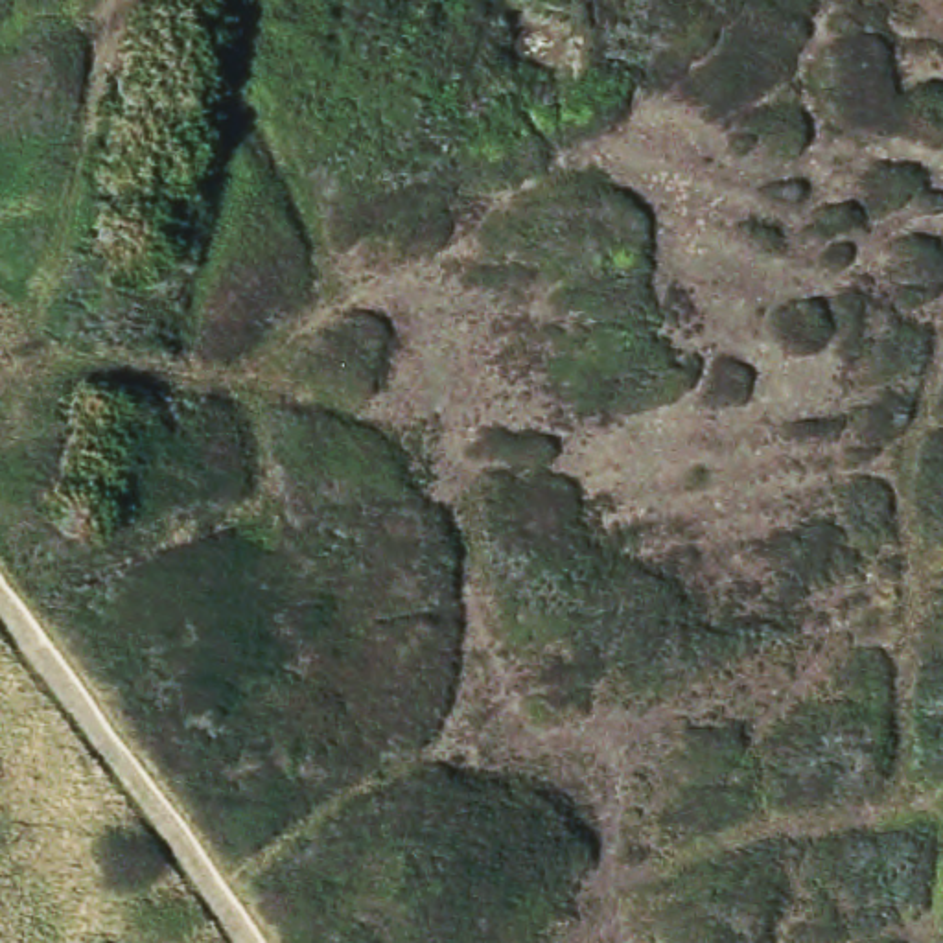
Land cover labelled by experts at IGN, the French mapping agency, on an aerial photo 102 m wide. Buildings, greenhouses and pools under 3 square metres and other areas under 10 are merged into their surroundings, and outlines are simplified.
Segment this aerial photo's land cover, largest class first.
<instances>
[{"label":"herbaceous vegetation","instance_id":"1","mask_svg":"<svg viewBox=\"0 0 943 943\"><path fill-rule=\"evenodd\" d=\"M99 0H0V298L11 302L26 320V343H18V357L29 365L33 376L7 379L0 390V567L11 578V586L26 597V604L37 611V619L48 626V634L63 645V652L77 659V670H85L92 681L107 685L118 696L125 740H133L158 766V777L166 781L169 796L188 810L192 825L203 832L210 847L221 832H243L258 851L273 840L284 847V858L273 862L250 884L258 914L265 925L276 928L280 943H553L549 921L578 917V888L600 862V832L593 807L575 803L567 792L538 777L483 774L464 766V759L457 755L435 759L427 748L442 737L464 674V582L490 589L501 604V619L486 630L490 637H501V659L516 678L523 707L534 715L538 726H560L567 707H593V681L604 670H623L630 689H656L663 696H674L678 685L700 681L704 674L733 678L740 670V659L755 656L763 630L792 634L803 630V623L825 626L829 615L821 608H810V589L858 575L866 567L862 553L847 545L844 530L832 519H807L792 530H774L759 538L755 556L770 560V571L781 578V589L763 615H748L744 600L755 597L763 586L740 578L729 589L718 586V578L704 567L700 527H693L681 516H663L604 527L600 519L615 508V497H586L575 475L556 472V457L564 446L556 435L545 431L486 427L468 446V457H505V468L483 472L475 486L442 505L431 497V483L435 457L442 453V416H420L416 424L398 427L365 420L368 402L379 390H387L394 354L402 346L394 320L379 309L357 306L339 324H328L313 335H295L291 328L298 313L317 306L313 236L306 221L320 214L309 169L320 166L339 180L332 232L343 250L368 236H387L398 243V254L405 262H413L431 258L453 239L468 236L483 243L479 258L446 262V276H457L468 287L494 291L508 280H556L564 291L553 298V306L593 313V324H578L575 332L534 317H497L490 332L508 335V346L497 354L501 376L545 372L549 398L575 402L582 420L593 416L600 427H611L615 416L626 413H648L656 405L678 402L700 379L704 357L693 350H678L670 339L659 335V328L663 320H674L685 335H700L704 309H696L685 287L656 295L659 221L652 203L626 184H615L597 166L560 169L553 162L560 147H578L604 133H615L630 118L634 99L626 96L623 103L597 111L586 125H571L567 133L538 129L534 136L505 147L501 158H475L464 151V140L457 133L449 136L435 122L431 103L416 92L420 74H427L438 85H449L457 103L468 107L483 96V85H494L497 77H508L516 81V88L534 92L538 74L545 66L527 52V15H545L575 26L586 37V66L604 77H626L634 96L667 92L674 103L696 107L707 122L726 129L733 155H748L755 144H763L766 155L803 158L814 140L877 144L880 136H906L928 147H943V77L906 81L899 59L943 55V37H895L888 26V0H221L214 15L199 18L206 48L217 59V66L199 77V107L214 129L206 173L195 177L203 203H169V221L162 236L173 243L177 262L151 287L125 295L114 287V280L99 284L107 254L96 243V173L99 158L107 155L114 118L122 114L118 85L114 74H107V92L99 99V133L85 151H77L96 44L81 26L88 15H96ZM236 151L250 158L258 180L239 217V239L221 284L210 298L195 302L192 287L199 269L206 265ZM92 368H140L173 383L166 398L177 431L169 435L192 442L199 457L188 472V483H180L177 508H169L166 516L114 527V505L96 497V479H118V472L99 449H88V438H103L107 431V402L96 394V387H88ZM910 203L943 214V188L921 162L880 158L866 169L855 199L829 203L810 221L814 236H832L847 228H869V217L902 210ZM810 177H781L763 184V199L799 206L810 199ZM740 236H751L770 254L785 250V225L766 217H744L737 225ZM943 295V236L910 232L899 239V250L891 254L888 269L862 273L840 295L788 298L777 306L774 317V335L785 350H829L840 357L836 379L844 390H880L873 405H851L847 413L803 416L785 424V438L799 442L836 438L844 427L858 431V446L847 449V464H858L880 457L888 438L906 435L914 427L925 398V379L936 357V328L917 324L914 317L921 302ZM755 394V365L726 354L715 361V379L704 405H744ZM917 512L925 519H943V398L939 427L925 442L917 479ZM847 516L862 534H877L884 541L899 538V505L891 483L862 475L840 486ZM921 696L943 700V586L936 589V611L921 623L917 678ZM832 681L840 685L844 700L796 704L785 722L770 729V737H755L748 722L737 718L729 726L685 722V748L678 755L689 766V785L681 788L678 803H667L659 810V825H693L704 836L740 825L748 818H763L770 810L880 803L895 781L902 737L895 659L888 656V648H858L847 659V667L832 670ZM925 744L921 766L936 785H943V715H917ZM103 888H111L125 910L122 936L107 943H184L180 936L203 925L199 910L210 906L192 873L173 855V847L144 814L129 829H103L96 844ZM619 891L634 902L630 932L637 936V943H910L902 925L906 906H925L932 917L943 921V818L932 821L928 814H917L906 825L840 829L829 836H770L740 851H722L707 862H689L674 877L626 884Z\"/></svg>","mask_w":943,"mask_h":943},{"label":"bare soil","instance_id":"2","mask_svg":"<svg viewBox=\"0 0 943 943\"><path fill-rule=\"evenodd\" d=\"M133 0H99L96 15H88L81 26L96 44L77 151H85L99 133V99L107 92V74H114L118 85L133 66ZM888 26L895 37H943V0H888ZM527 52L545 66L575 74H582L586 66V37L575 26L545 15H527ZM906 81L943 77V55L899 59ZM880 158L921 162L943 188V147H928L906 136H880L877 144L814 140L803 158L766 155L763 144H755L748 155H733L726 129L707 122L696 107L674 103L667 92L634 96V99L630 118L615 133H604L578 147H560L553 162L560 169L597 166L615 184H626L652 203L659 221L656 295L685 287L696 309H704L700 335H685L674 320H663L659 328V335L670 339L678 350H693L704 357L700 379L678 402L656 405L648 413H626L615 416L611 427H600L593 416L582 420L575 402L549 398L545 372L501 376L497 354L508 346V335L490 332L497 317H534L575 332L578 324H593V313L553 306V298L564 291L556 280H508L494 291L468 287L457 276H446V262L479 258L483 243L468 236L453 239L431 258L413 262H405L398 254V243L387 236H368L343 250L332 232L339 180L320 166L309 169L320 214L306 221L313 236L317 306L298 313L291 328L295 335H313L328 324H339L357 306L379 309L394 320L402 346L394 354L387 390H379L368 402L365 420L398 427L416 424L420 416H442V453L435 457L431 483V497L442 505L475 486L483 472L505 468V457H468V446L486 427L545 431L556 435L564 446L556 457V472L575 475L586 497H615V508L600 519L604 527L663 516H681L693 527H700L704 567L718 578V586L729 589L740 578L763 586L755 597L744 600L748 615H763L781 589V578L770 571V560L755 556L759 538L774 530H792L807 519H832L844 530L847 545L862 553L866 567L858 575L810 589V608H821L829 615L825 626L803 623V630L792 634L763 630L755 656L740 659V670L733 678L704 674L700 681L678 685L674 696H663L656 689H630L623 670H604L593 681V707H567L560 726H538L534 715L523 707L516 678L501 659V637H490L486 630L501 619V604L490 589L464 582V674L442 737L427 748L435 759L457 755L464 759V766L483 774L538 777L567 792L575 803L593 807L600 832V862L578 888V917L549 921L553 943H637V936L630 932L634 902L619 891L626 884L674 877L689 862H707L722 851H740L770 836H829L840 829L906 825L917 814H928L932 821L943 818V785H936L921 766L925 744L917 715H943V700L921 696L917 678L921 623L936 611V589L943 586V519H925L917 512V479L925 442L939 427L943 398V295L921 302L914 317L917 324L936 328V357L925 379V398L914 427L906 435L888 438L880 457L858 464H847V449L858 446V431L844 427L836 438L799 442L785 438V424L803 416L847 413L851 405H873L880 390H844L836 379L840 357L829 350H785L774 335V317L777 306L788 298L840 295L862 273L888 269L891 254L899 250V239L910 232L943 236V214L910 203L902 210L869 217V228H847L832 236H814L810 221L829 203L855 199L866 169ZM781 177H810V199L799 206L763 199V184ZM744 217H766L785 225V250L770 254L751 236H740L737 225ZM726 354L755 365V394L744 405H704L715 379V361ZM862 475L891 483L899 505V538L884 541L877 534H862L847 516L840 486ZM858 648H888V656L895 659L902 737L895 781L880 803L770 810L763 818H748L740 825L704 836L693 825H659V810L667 803H678L681 788L689 785V766L678 755L685 748V722L729 726L737 718L748 722L755 737H770V729L785 722L796 704L844 700L840 685L832 681V670L847 667V659ZM18 343H26V320L11 302L0 298V390L7 379L33 376L29 365L18 357ZM144 814L140 799L118 777L107 751L96 748L88 729L48 685V678L33 667V659L22 652L18 637L0 615V943H107L122 936L125 910L111 888H103L96 844L103 829H129ZM232 891L258 914L250 884L273 862L284 858V847L273 840L258 851L243 832H221L210 847ZM203 925L180 936L184 943H236L228 925L210 906L199 910Z\"/></svg>","mask_w":943,"mask_h":943},{"label":"brushwood","instance_id":"3","mask_svg":"<svg viewBox=\"0 0 943 943\"><path fill-rule=\"evenodd\" d=\"M133 66L118 85L122 114L114 118L107 155L99 158L96 173V243L107 254L99 284L114 280V287L125 295L151 287L177 262L173 243L162 236L169 221V203H203L195 177L206 173L214 129L199 107V77L217 66V59L206 48L199 18L214 15L221 0H133ZM416 92L431 103L435 122L449 136L457 133L464 140V151L475 158H501L505 147L534 136L538 129L567 133L571 125H586L597 111L623 103L626 96L634 99V96L626 77H604L586 66L582 74H575L545 66L538 74L534 92L516 88V81L508 77H497L494 85H483V96L468 107L457 103L449 85H438L427 74H420ZM258 180L250 158L236 151L206 265L199 269L192 287L195 302L210 298L221 284L239 239V217ZM88 387H96V394L107 402V431L103 438H88V449H99L118 472V479H96V497L114 505V527L166 516L169 508H177L180 483H188V472L199 457L192 442L169 435L177 431L166 398L173 383L140 368H92Z\"/></svg>","mask_w":943,"mask_h":943},{"label":"pervious surface","instance_id":"4","mask_svg":"<svg viewBox=\"0 0 943 943\"><path fill-rule=\"evenodd\" d=\"M0 615L18 637L22 652L33 659V667L48 678V685L88 729L96 748L107 751L118 777L140 799L144 814L173 847V855L192 873L210 906L228 925L236 943H280L276 928L265 925L258 914L232 891L210 847L203 832L192 825L188 810L169 796L166 781L158 777V766L133 740H125L118 696L107 685L92 681L85 670H77V659L63 652V645L48 634V626L37 619V611L26 604V597L11 586V578L0 567ZM902 925L910 943H943V921L932 917L925 906H906Z\"/></svg>","mask_w":943,"mask_h":943}]
</instances>
